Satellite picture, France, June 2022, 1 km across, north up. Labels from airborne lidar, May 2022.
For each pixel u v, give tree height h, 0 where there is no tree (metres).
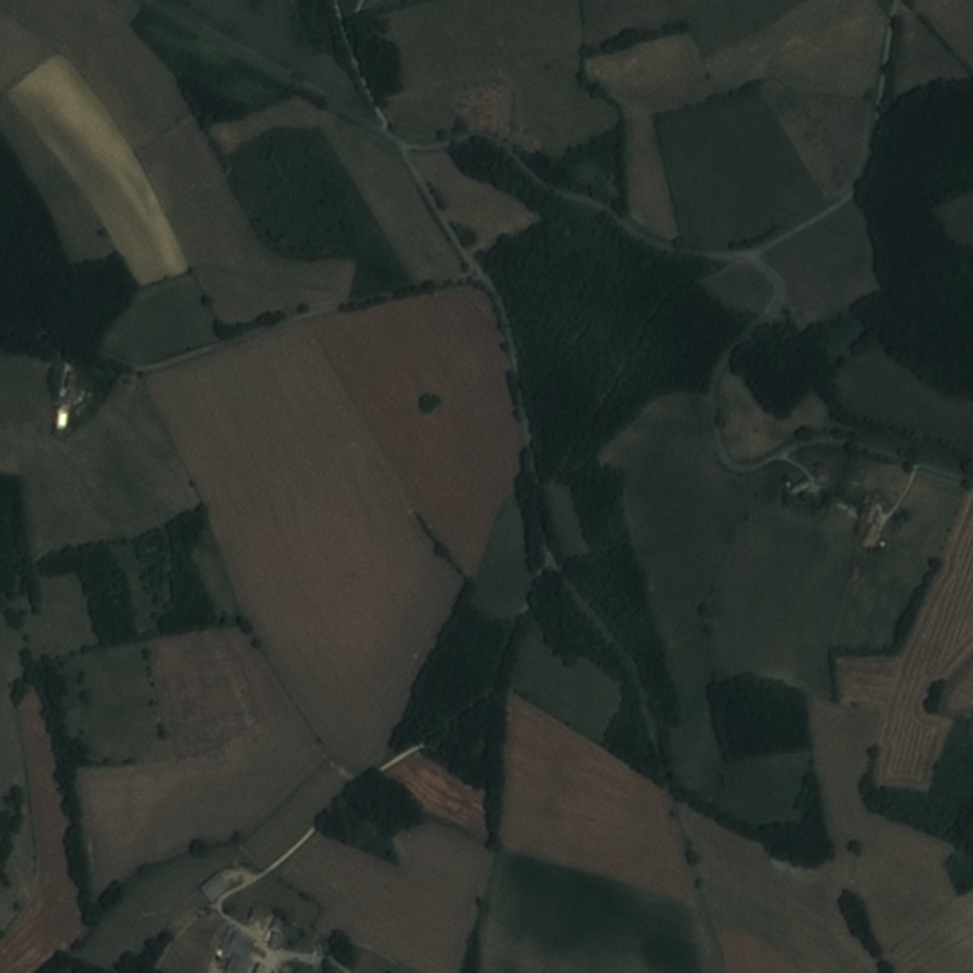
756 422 0
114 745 0
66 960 12
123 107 0
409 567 0
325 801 0
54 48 0
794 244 0
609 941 0
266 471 0
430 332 0
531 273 9
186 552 10
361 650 0
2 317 15
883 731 0
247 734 0
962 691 0
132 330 0
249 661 0
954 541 0
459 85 0
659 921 0
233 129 0
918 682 0
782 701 7
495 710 13
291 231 0
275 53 0
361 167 0
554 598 11
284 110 0
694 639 0
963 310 12
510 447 0
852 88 0
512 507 0
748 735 16
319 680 0
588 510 9
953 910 0
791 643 0
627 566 12
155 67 0
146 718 0
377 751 0
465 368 0
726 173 0
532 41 0
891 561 0
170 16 0
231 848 0
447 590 0
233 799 0
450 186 0
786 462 5
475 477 0
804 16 0
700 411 0
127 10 0
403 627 0
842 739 0
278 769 0
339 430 0
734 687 11
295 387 0
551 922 0
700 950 0
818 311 0
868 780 8
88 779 0
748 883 0
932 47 0
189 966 0
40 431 0
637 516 0
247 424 0
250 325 8
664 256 10
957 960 0
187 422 0
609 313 7
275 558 0
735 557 0
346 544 0
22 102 0
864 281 0
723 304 9
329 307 0
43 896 0
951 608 0
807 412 0
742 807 0
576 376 9
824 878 0
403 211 0
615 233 8
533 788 0
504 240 13
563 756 0
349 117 7
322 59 0
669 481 0
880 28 0
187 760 0
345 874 0
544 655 0
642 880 0
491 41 0
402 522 0
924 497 0
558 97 0
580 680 0
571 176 6
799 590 0
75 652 6
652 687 11
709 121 0
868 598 0
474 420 0
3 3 0
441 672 10
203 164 0
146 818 0
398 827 16
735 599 0
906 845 0
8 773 0
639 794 0
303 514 0
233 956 0
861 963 0
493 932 0
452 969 0
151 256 0
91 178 0
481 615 14
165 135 0
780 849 14
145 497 0
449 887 0
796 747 11
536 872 0
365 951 0
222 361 0
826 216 0
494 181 10
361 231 0
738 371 13
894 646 7
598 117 0
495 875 0
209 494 0
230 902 0
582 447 9
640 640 8
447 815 0
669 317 10
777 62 0
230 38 0
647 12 0
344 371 0
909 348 21
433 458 0
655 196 0
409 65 0
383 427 0
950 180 12
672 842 0
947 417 0
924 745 0
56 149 0
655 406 0
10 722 0
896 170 17
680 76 0
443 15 0
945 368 15
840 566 0
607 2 0
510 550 0
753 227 0
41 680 12
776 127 0
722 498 0
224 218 0
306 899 6
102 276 12
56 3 0
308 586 0
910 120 18
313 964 0
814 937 0
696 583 0
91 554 12
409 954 0
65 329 18
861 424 7
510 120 0
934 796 5
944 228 12
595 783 0
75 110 0
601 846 0
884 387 0
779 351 12
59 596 0
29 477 0
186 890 0
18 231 13
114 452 0
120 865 0
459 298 0
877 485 0
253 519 0
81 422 0
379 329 0
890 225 14
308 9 6
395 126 12
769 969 0
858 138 0
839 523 0
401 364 0
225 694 0
